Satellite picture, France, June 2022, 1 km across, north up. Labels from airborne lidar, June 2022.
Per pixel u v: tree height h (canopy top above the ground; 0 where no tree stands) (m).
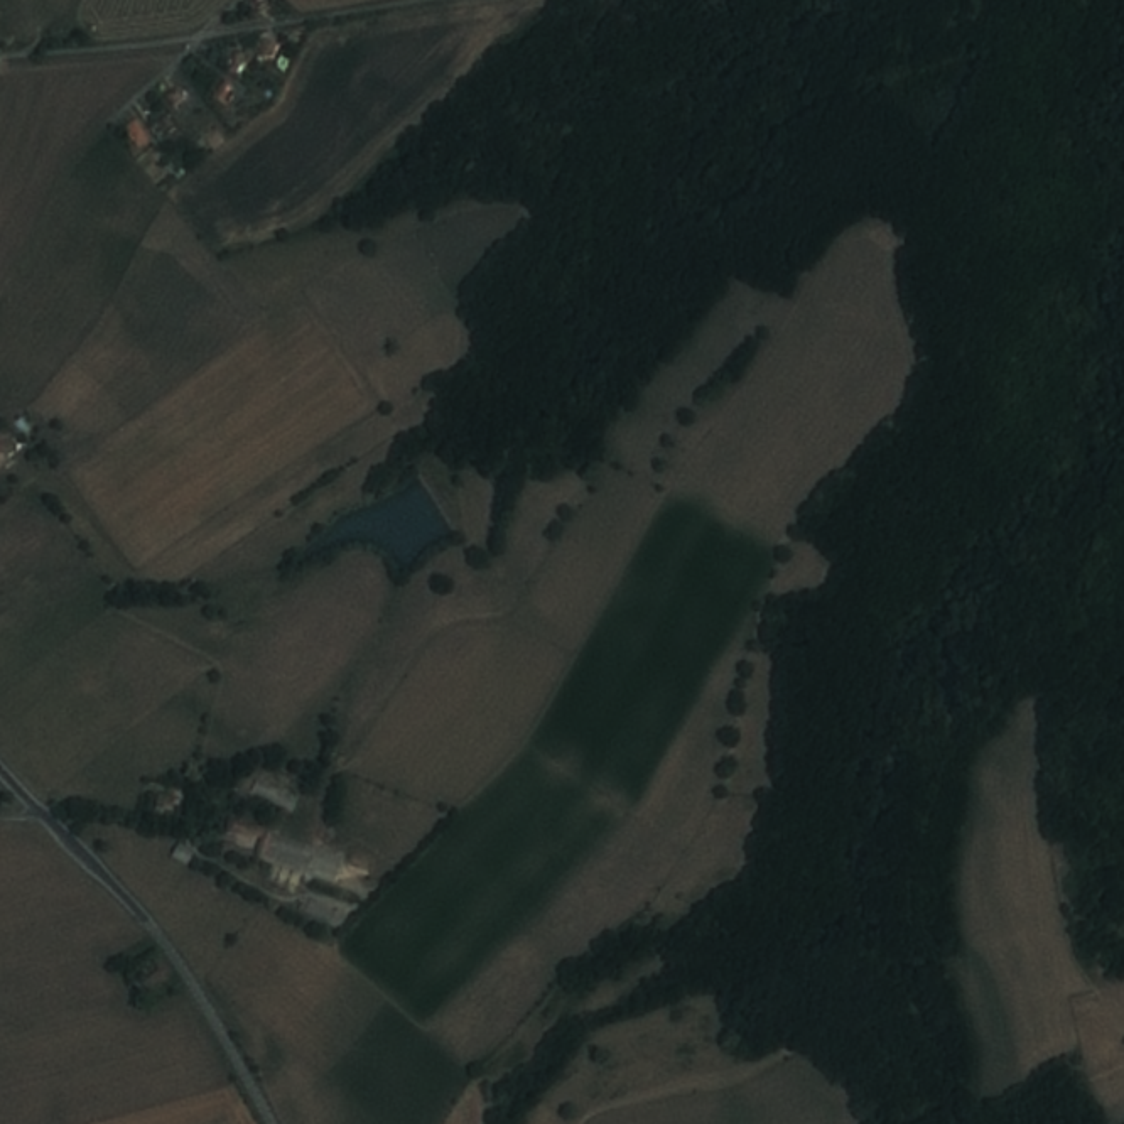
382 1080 0
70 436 0
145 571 0
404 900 0
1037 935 0
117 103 0
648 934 13
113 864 0
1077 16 20
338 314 0
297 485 0
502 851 0
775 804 19
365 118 0
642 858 0
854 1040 21
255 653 0
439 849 0
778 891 17
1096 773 19
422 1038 0
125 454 0
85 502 0
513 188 17
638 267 31
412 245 0
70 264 0
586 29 10
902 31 27
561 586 0
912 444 18
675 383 0
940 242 15
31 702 0
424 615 0
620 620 0
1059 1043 0
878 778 29
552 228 16
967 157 15
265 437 0
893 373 0
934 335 20
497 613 0
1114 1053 0
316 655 0
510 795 0
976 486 17
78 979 0
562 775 0
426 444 17
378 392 0
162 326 0
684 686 0
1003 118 22
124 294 0
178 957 0
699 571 0
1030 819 0
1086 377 29
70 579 0
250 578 0
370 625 0
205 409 0
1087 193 22
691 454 0
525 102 14
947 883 13
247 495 0
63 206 0
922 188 17
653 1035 0
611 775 0
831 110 24
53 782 0
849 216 17
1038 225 19
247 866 8
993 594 26
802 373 0
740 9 20
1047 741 18
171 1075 0
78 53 0
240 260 0
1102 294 26
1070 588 16
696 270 30
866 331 0
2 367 0
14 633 0
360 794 0
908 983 24
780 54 34
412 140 20
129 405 0
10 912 0
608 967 19
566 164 18
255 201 0
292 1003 0
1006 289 23
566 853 0
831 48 28
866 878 30
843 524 21
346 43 0
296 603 0
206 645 0
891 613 22
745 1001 24
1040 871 0
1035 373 19
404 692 0
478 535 0
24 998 0
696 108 19
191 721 0
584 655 0
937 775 19
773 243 23
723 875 0
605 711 0
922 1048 28
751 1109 0
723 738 14
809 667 24
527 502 0
